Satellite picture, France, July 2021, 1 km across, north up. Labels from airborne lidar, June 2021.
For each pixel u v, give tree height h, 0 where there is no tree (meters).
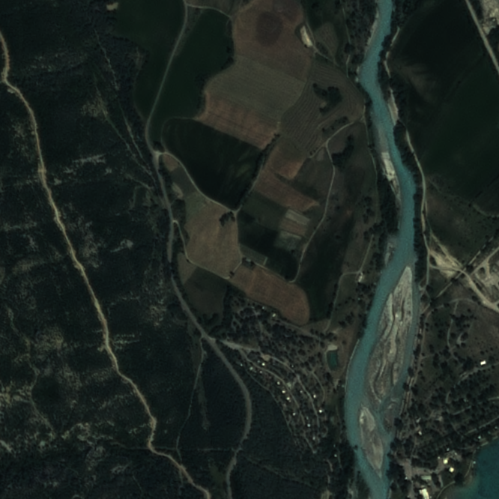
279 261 0
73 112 8
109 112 9
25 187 6
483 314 0
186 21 0
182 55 0
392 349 0
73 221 7
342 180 0
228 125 0
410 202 0
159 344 8
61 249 10
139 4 0
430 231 0
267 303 0
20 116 6
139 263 9
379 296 0
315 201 0
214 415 6
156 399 7
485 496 0
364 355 0
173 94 0
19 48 8
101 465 7
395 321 0
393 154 0
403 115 20
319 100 0
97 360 6
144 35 0
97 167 6
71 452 9
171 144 0
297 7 0
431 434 9
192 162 0
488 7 0
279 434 6
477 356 0
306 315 0
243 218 0
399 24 10
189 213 0
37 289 8
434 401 11
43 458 7
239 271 0
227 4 0
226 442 8
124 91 17
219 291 0
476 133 0
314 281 0
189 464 12
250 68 0
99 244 7
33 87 7
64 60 7
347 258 0
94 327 9
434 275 0
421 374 6
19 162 8
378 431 0
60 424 7
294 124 0
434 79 0
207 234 0
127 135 6
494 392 13
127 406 7
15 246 7
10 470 15
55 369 6
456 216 0
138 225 6
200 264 0
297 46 0
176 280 13
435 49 0
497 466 0
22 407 7
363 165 0
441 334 9
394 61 0
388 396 0
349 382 0
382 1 0
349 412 0
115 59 12
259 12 0
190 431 8
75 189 7
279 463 8
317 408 7
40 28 8
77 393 7
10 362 6
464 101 0
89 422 6
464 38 0
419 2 18
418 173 12
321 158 0
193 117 0
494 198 0
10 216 7
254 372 10
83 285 7
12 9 7
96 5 15
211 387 8
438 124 0
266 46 0
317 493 11
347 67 0
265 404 10
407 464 0
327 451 13
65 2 8
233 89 0
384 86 7
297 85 0
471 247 0
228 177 0
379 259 15
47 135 9
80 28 11
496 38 16
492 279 0
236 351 10
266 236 0
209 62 0
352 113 0
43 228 9
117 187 12
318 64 0
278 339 9
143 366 8
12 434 7
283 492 11
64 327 9
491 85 0
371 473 0
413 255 0
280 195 0
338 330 0
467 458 10
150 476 15
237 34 0
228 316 12
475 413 12
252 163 0
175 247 7
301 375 6
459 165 0
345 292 0
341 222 0
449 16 0
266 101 0
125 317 7
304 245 0
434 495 0
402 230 0
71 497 9
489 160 0
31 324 6
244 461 12
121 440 11
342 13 0
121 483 16
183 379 6
